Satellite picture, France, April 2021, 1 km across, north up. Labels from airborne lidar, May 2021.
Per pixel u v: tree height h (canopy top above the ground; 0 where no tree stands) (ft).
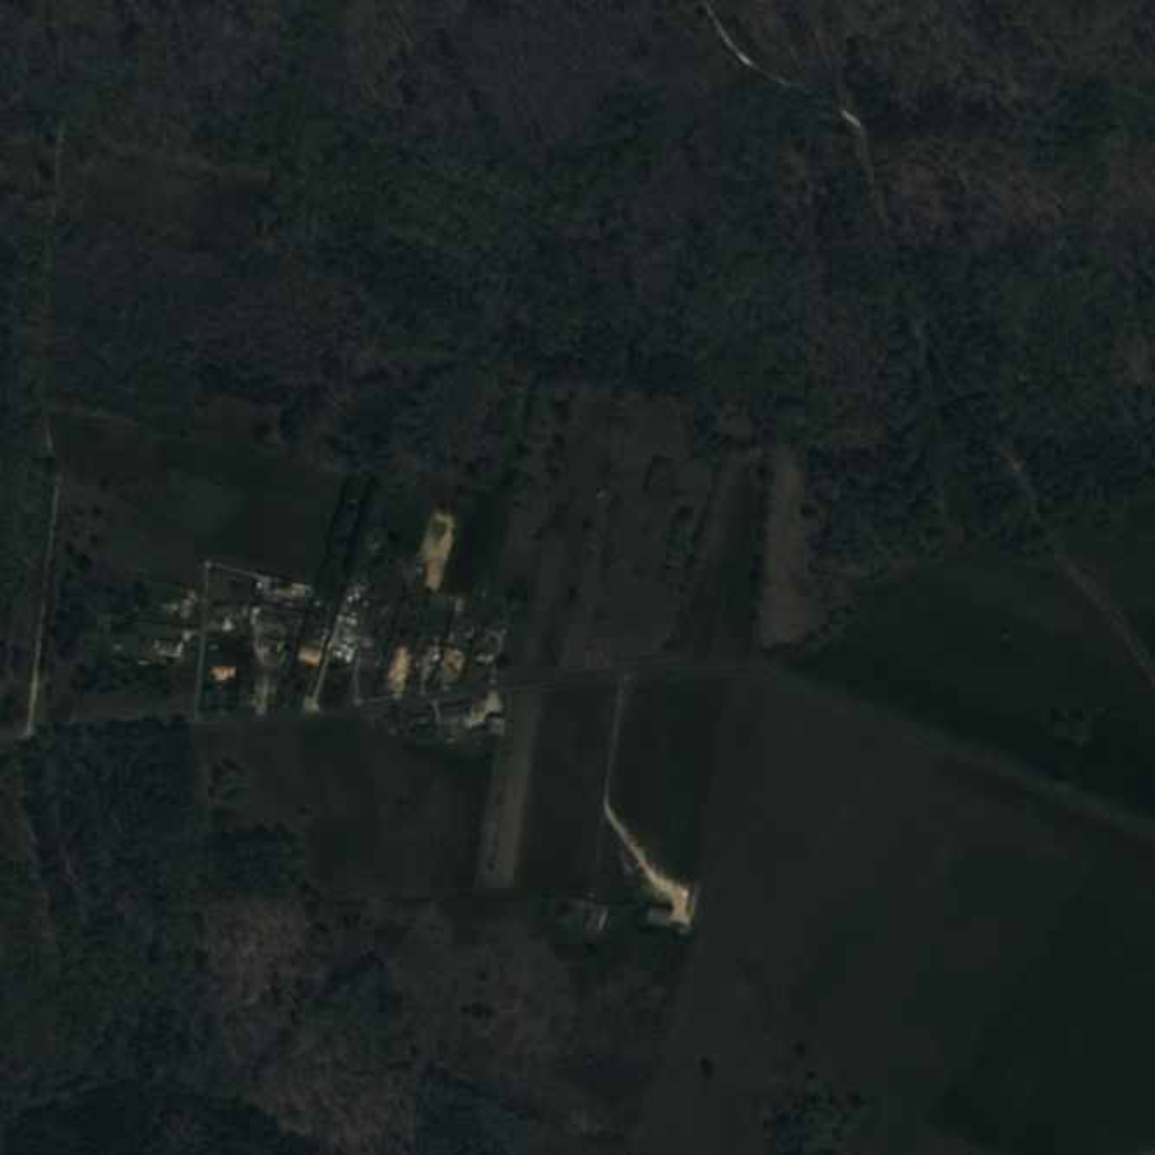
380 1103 38
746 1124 0
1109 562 0
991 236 59
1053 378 57
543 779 0
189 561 0
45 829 79
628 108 49
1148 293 47
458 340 61
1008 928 0
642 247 51
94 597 55
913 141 43
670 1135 0
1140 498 70
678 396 26
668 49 36
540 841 0
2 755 45
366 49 52
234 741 0
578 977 0
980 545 32
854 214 95
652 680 0
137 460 0
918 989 0
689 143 45
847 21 71
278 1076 44
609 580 0
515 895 0
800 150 53
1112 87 43
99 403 52
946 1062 0
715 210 49
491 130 93
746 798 0
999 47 74
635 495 0
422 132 44
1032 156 51
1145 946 0
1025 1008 0
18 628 41
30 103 52
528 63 51
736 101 52
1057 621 0
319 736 0
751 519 0
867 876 0
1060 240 53
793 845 0
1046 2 38
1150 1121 0
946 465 0
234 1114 29
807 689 0
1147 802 0
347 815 0
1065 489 61
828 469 51
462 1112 60
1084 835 0
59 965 37
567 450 46
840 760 0
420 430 62
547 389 60
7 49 48
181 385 17
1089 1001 0
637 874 0
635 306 63
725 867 0
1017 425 48
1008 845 0
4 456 62
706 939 0
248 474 0
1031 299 56
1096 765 0
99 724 0
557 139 54
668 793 0
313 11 53
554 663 0
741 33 44
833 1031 0
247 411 0
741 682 0
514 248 55
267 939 29
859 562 61
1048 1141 0
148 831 70
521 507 18
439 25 43
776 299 53
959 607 0
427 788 0
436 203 62
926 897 0
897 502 37
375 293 72
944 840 0
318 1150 46
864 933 0
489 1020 61
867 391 33
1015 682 0
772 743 0
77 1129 52
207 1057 64
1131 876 0
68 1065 31
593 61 49
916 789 0
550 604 0
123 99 57
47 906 39
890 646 0
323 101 54
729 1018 0
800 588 20
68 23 36
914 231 35
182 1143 62
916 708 0
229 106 47
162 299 26
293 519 0
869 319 41
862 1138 0
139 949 51
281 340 20
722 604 0
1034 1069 0
